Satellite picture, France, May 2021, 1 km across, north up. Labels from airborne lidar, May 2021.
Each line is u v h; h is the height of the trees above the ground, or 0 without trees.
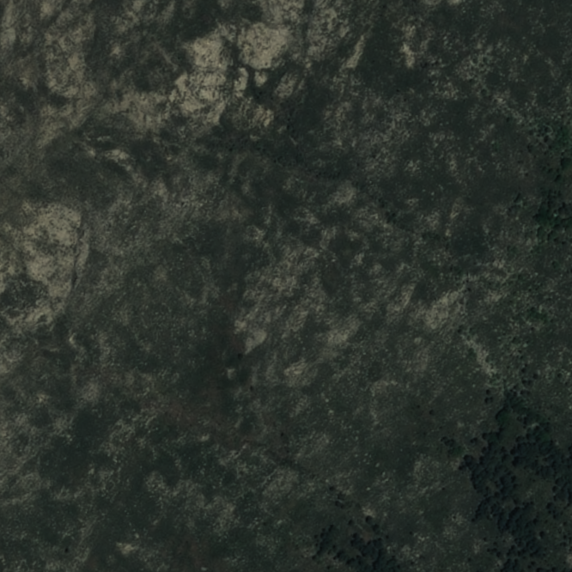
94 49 0
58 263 0
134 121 0
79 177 0
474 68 8
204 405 0
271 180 0
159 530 0
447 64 0
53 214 0
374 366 0
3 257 0
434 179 0
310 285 0
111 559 0
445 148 0
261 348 0
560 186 0
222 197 0
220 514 0
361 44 0
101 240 0
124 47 0
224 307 0
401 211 0
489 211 0
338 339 0
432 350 0
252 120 0
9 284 0
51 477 0
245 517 0
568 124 7
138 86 0
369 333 0
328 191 0
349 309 0
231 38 0
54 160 0
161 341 0
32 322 0
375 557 19
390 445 0
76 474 0
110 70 0
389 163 0
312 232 0
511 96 0
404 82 0
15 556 0
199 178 0
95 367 0
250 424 0
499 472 23
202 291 0
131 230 0
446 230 0
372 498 0
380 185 0
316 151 0
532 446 24
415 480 0
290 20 0
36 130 0
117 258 0
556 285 0
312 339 0
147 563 0
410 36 0
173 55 0
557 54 0
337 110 0
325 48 0
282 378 0
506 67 0
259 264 0
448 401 0
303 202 0
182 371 0
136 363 0
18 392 0
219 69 0
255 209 0
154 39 0
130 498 0
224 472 0
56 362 0
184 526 0
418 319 0
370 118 0
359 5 0
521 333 0
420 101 0
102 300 0
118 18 0
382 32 0
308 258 0
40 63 0
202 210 0
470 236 0
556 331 0
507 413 18
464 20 0
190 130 0
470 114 0
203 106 0
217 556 0
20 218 0
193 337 0
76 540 0
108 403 0
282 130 0
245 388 0
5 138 0
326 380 0
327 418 0
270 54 0
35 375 0
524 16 0
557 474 15
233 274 0
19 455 0
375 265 0
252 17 0
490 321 0
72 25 0
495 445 25
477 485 24
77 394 0
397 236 0
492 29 0
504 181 0
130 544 0
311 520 0
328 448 0
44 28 0
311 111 0
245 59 0
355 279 0
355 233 0
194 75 0
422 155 0
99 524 0
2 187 0
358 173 0
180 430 0
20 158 0
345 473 0
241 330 0
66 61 0
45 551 0
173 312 0
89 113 0
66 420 0
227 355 0
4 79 0
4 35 0
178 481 0
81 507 0
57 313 0
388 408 0
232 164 0
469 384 0
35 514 0
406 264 0
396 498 0
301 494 0
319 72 0
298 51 0
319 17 0
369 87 0
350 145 0
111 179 0
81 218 0
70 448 0
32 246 0
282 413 0
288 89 0
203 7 0
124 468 0
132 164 0
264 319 0
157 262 0
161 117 0
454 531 0
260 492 0
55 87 0
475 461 21
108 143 0
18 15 0
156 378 0
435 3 0
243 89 0
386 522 0
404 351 0
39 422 0
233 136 10
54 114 0
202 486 0
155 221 0
